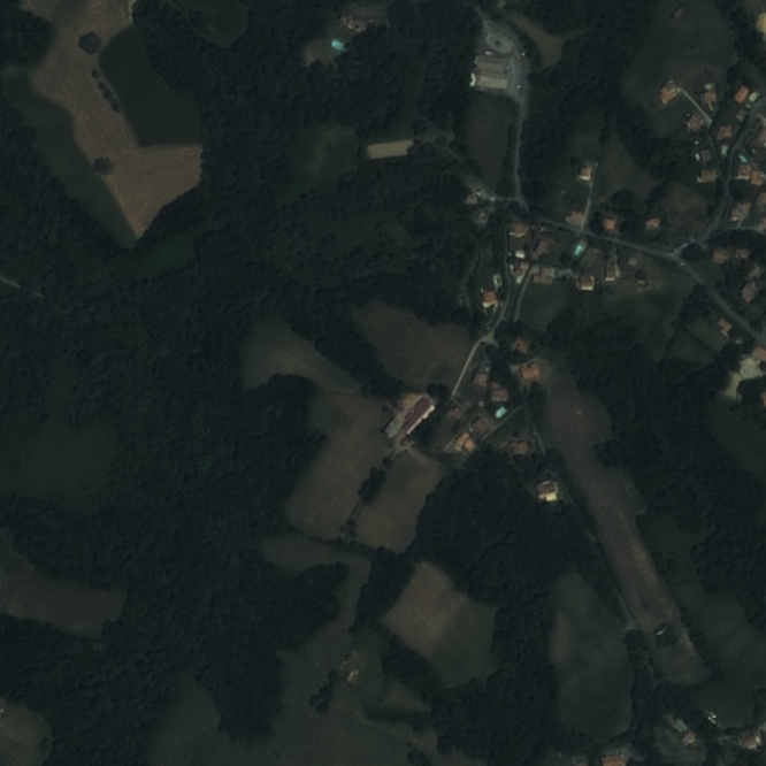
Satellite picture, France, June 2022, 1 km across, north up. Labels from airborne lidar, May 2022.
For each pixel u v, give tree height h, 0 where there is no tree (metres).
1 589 0
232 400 13
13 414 9
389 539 0
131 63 0
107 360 17
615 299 0
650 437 11
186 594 21
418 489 0
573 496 12
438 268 7
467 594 6
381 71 24
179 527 21
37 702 19
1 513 18
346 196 12
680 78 0
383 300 16
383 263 10
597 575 21
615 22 23
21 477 0
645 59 0
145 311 19
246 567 16
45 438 0
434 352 0
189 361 18
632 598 0
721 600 0
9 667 19
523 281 0
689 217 0
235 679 16
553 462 13
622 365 11
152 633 7
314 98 25
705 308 17
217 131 24
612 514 0
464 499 25
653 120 0
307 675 0
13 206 26
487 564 21
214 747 0
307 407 13
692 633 8
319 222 0
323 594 18
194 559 21
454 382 0
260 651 19
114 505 7
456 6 20
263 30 27
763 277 7
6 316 16
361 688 0
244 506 12
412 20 25
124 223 0
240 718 26
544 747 16
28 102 0
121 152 0
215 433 27
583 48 8
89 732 19
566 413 0
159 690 24
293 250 8
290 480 10
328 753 0
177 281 19
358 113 25
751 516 19
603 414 0
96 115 0
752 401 7
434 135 0
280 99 17
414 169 8
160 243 12
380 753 0
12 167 18
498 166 0
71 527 15
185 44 24
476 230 10
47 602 0
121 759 27
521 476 10
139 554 18
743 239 17
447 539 24
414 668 15
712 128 7
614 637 0
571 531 22
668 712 15
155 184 0
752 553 17
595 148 0
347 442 0
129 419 5
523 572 32
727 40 0
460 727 24
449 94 16
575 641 0
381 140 0
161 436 15
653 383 21
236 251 23
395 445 0
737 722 0
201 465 30
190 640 19
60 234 9
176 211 16
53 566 17
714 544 15
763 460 0
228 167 24
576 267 12
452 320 8
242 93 12
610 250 8
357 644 0
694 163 8
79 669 12
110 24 0
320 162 0
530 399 14
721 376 15
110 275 9
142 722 27
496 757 23
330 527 0
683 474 21
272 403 21
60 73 0
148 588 14
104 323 19
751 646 0
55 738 15
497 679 14
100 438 0
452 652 0
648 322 0
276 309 15
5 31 29
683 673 0
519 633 24
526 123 7
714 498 16
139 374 10
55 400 0
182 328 18
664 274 0
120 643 17
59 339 20
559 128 17
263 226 19
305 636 10
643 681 16
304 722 0
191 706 0
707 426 11
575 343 17
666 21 0
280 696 14
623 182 0
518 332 17
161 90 0
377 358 11
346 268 10
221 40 0
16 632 18
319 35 16
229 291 24
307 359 0
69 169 0
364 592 14
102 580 13
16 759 0
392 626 0
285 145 14
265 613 19
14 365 13
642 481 13
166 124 0
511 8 9
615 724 0
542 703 19
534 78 14
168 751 0
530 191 16
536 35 0
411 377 0
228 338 21
